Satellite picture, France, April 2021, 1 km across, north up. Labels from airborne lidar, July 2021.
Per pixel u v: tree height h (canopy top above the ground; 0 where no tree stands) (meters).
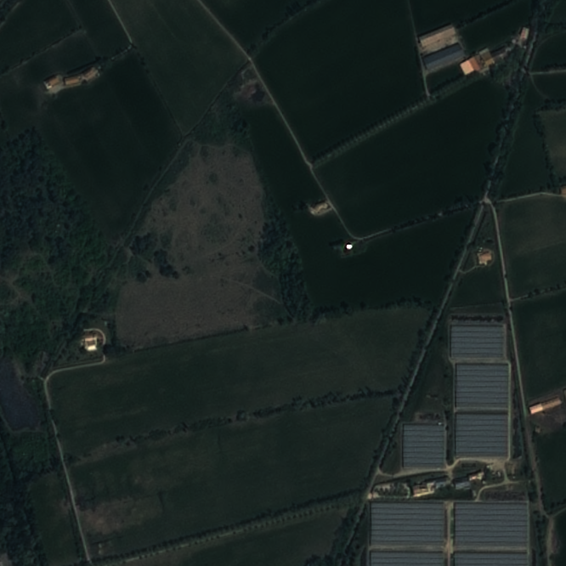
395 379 0
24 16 0
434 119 0
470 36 0
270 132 0
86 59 0
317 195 0
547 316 0
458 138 0
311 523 0
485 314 0
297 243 0
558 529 0
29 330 13
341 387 0
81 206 18
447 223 0
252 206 0
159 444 0
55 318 7
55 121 0
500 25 0
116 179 0
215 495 0
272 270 6
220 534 14
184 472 0
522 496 0
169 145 0
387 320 0
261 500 0
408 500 15
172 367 0
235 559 0
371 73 0
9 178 6
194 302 0
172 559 0
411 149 0
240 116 8
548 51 0
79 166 0
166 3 0
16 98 0
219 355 0
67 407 0
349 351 0
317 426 0
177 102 0
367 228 0
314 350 0
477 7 0
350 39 0
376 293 0
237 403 0
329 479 0
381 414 0
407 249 0
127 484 0
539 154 0
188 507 0
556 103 11
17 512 16
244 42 0
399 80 0
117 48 0
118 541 0
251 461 0
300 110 0
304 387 0
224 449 0
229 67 0
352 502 20
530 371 0
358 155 0
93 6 0
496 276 0
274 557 0
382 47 0
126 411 0
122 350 9
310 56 0
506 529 0
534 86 0
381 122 9
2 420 7
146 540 0
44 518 0
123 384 0
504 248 0
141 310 0
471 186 0
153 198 0
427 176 0
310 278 0
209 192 0
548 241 0
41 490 0
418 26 0
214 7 0
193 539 12
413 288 0
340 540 10
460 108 0
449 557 0
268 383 0
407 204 0
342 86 0
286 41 0
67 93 0
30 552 12
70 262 9
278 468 0
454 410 0
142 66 9
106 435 0
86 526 0
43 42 0
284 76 0
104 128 0
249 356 0
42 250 7
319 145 0
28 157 15
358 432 0
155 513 0
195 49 0
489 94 0
